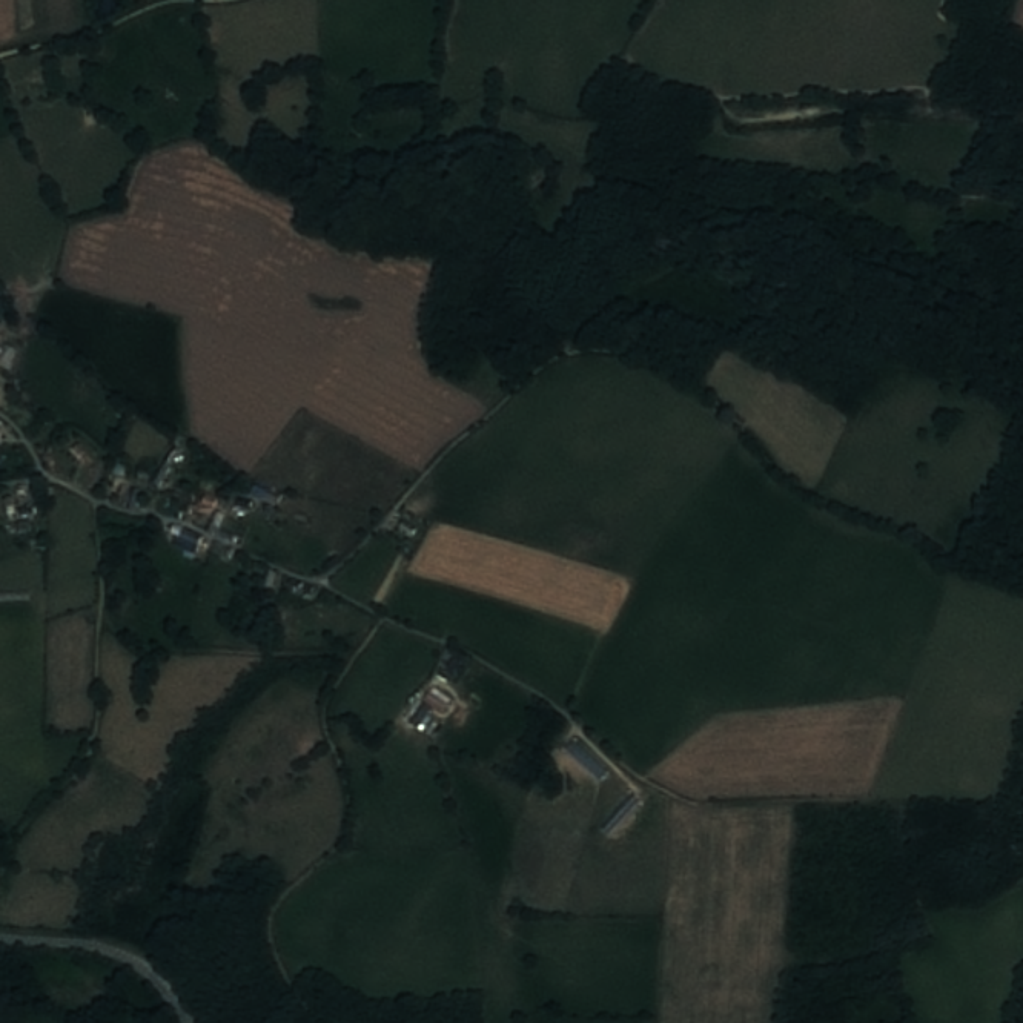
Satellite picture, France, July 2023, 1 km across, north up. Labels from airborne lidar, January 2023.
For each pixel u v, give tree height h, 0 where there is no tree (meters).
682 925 0
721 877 0
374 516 14
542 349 17
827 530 0
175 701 0
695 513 0
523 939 0
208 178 0
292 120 0
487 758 0
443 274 15
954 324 22
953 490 0
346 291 0
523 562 0
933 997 0
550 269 18
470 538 0
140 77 0
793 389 0
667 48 0
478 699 0
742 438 9
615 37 0
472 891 0
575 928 0
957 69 13
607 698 0
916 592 0
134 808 0
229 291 0
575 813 0
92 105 10
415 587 0
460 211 24
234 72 0
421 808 0
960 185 25
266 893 16
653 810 0
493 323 22
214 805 0
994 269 23
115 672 0
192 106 0
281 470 0
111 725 0
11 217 0
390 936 0
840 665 0
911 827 13
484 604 0
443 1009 11
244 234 0
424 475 0
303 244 0
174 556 0
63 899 0
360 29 0
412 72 0
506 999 0
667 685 0
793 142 0
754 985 0
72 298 0
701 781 0
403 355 0
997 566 14
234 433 0
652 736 0
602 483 0
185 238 0
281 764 0
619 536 0
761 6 0
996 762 0
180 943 24
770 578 0
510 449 0
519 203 17
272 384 0
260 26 0
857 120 16
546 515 0
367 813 0
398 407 0
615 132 22
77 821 0
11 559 0
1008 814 9
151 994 15
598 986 0
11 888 0
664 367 15
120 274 0
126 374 0
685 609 0
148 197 0
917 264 20
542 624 0
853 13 0
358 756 0
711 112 15
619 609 0
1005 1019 12
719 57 0
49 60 18
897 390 0
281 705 0
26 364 0
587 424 0
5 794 0
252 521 0
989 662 0
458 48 0
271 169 28
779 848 0
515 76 0
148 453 0
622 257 19
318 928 0
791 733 0
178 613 0
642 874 0
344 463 0
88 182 0
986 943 0
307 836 0
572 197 0
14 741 0
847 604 0
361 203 30
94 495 13
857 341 24
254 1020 11
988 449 0
